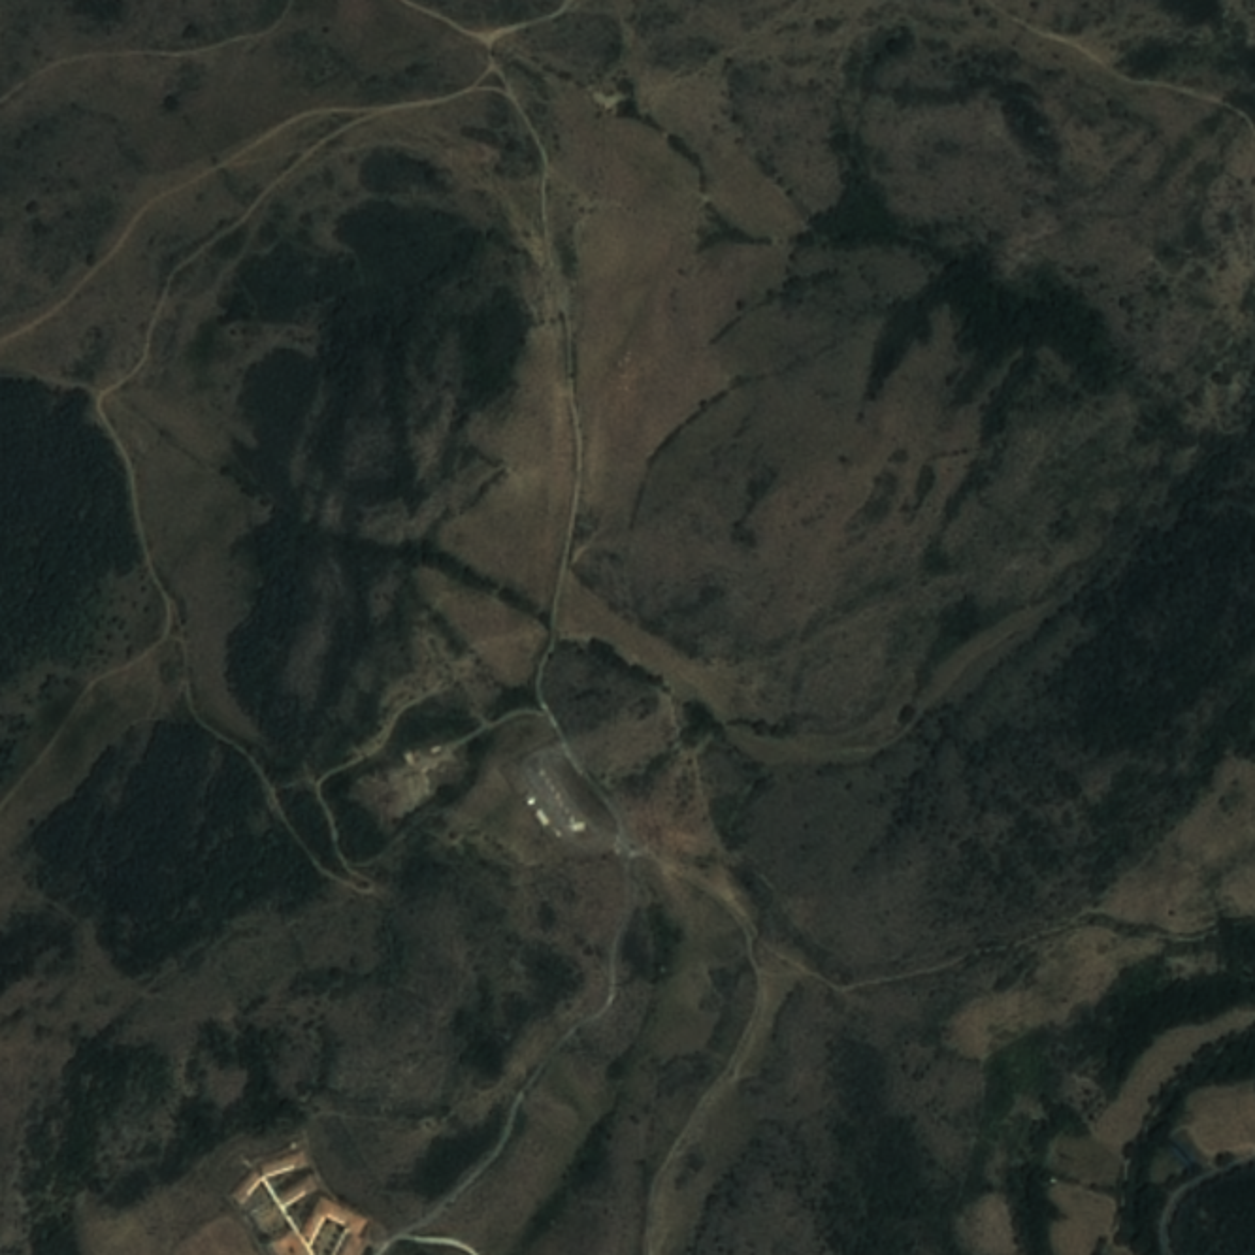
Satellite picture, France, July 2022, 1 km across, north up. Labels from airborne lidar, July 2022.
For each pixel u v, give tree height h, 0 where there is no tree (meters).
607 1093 0
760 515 0
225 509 0
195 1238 0
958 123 0
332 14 0
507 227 0
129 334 0
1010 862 7
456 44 0
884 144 0
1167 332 0
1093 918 6
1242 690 10
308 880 8
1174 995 16
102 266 0
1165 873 0
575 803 0
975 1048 0
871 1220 6
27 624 6
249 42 0
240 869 10
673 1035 0
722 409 0
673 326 0
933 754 7
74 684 10
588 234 0
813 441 0
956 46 0
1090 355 9
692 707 6
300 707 5
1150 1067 0
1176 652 7
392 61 0
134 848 6
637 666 9
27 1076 0
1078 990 0
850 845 0
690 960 0
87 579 7
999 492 0
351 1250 0
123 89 0
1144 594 8
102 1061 7
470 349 10
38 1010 0
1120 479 0
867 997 0
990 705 0
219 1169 0
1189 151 0
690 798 0
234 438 0
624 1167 0
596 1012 0
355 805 6
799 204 0
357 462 0
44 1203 8
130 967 6
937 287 6
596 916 0
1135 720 7
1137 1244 16
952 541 0
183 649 0
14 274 0
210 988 0
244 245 0
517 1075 0
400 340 7
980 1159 5
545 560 0
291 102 0
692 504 0
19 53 0
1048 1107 12
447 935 0
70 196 0
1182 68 0
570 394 0
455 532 0
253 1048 8
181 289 0
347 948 0
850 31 0
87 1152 8
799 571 0
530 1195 0
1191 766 8
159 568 0
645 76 0
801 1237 0
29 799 0
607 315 0
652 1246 0
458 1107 0
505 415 0
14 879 0
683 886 0
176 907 7
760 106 0
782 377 0
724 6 0
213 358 0
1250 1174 14
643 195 0
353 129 0
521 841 0
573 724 0
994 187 0
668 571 0
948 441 0
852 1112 6
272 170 0
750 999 0
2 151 0
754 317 0
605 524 0
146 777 8
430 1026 0
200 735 8
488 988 7
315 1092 7
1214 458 7
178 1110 5
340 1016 0
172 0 0
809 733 0
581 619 0
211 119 0
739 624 0
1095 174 0
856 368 0
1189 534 7
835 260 0
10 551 10
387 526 0
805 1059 0
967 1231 0
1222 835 0
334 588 0
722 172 0
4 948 6
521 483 0
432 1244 0
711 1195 5
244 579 0
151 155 0
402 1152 0
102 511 6
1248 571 9
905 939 0
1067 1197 0
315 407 0
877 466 0
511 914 0
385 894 0
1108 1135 0
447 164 0
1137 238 0
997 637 0
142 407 0
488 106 0
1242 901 0
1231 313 0
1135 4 0
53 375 0
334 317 7
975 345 8
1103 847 10
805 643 0
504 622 0
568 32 0
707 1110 0
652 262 0
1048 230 0
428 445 0
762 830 0
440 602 0
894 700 0
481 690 0
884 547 0
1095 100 0
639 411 0
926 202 0
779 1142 0
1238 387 0
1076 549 0
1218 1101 0
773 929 0
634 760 0
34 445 9
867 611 0
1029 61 0
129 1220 0
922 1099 0
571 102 0
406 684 0
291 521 8
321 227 0
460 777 0
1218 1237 7
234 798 9
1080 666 6
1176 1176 9
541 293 0
